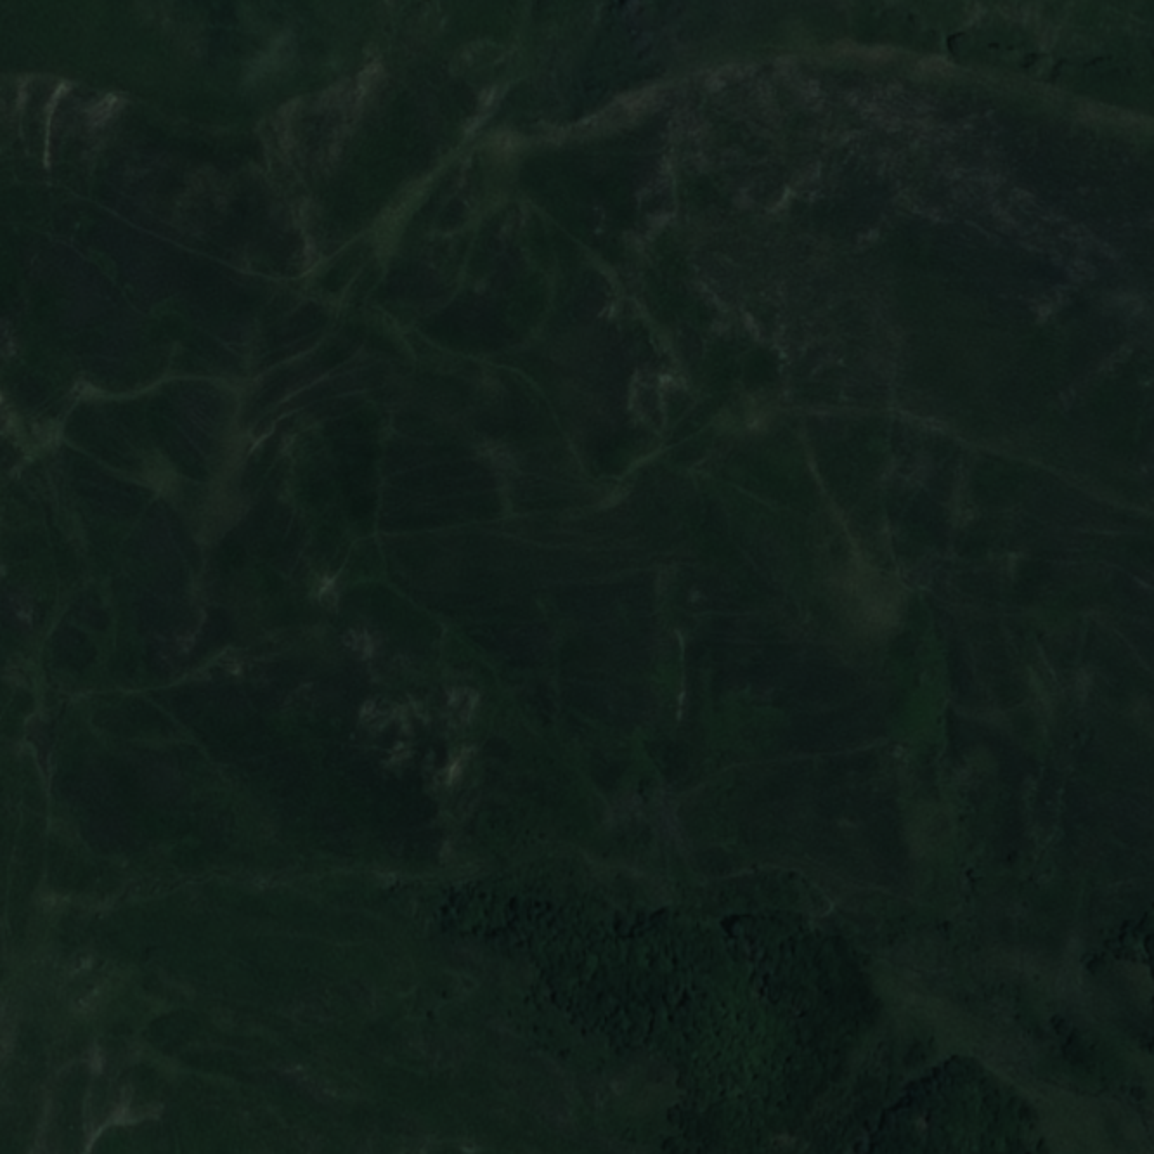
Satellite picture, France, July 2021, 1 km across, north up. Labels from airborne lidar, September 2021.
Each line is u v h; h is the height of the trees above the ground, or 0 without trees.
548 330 0
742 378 0
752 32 0
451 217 0
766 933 27
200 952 0
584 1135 0
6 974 0
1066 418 0
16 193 0
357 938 0
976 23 0
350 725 0
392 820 0
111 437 0
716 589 0
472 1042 0
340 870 0
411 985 0
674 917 17
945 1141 13
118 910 0
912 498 0
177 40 0
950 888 0
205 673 0
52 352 0
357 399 0
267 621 0
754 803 0
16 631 0
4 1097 0
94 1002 0
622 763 0
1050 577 0
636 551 0
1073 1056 9
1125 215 0
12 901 0
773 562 0
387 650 0
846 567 0
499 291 0
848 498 0
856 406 0
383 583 0
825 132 0
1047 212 0
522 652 0
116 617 0
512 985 0
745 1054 19
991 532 0
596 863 0
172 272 0
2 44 0
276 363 0
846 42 0
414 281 0
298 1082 0
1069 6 0
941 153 0
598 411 0
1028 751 0
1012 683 0
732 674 0
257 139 0
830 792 0
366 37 0
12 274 0
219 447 0
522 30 0
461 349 0
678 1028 19
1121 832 0
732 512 0
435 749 0
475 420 0
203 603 0
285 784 0
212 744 0
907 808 0
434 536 0
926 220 0
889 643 0
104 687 0
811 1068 21
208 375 0
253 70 0
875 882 0
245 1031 0
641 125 0
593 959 15
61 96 0
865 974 11
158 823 0
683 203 0
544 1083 0
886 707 0
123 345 0
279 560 0
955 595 0
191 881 0
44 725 0
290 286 0
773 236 0
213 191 0
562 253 0
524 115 0
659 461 0
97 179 0
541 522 0
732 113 0
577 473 0
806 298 0
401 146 0
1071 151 0
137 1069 0
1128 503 0
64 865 0
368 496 0
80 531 0
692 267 0
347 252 0
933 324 0
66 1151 0
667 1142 11
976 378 0
